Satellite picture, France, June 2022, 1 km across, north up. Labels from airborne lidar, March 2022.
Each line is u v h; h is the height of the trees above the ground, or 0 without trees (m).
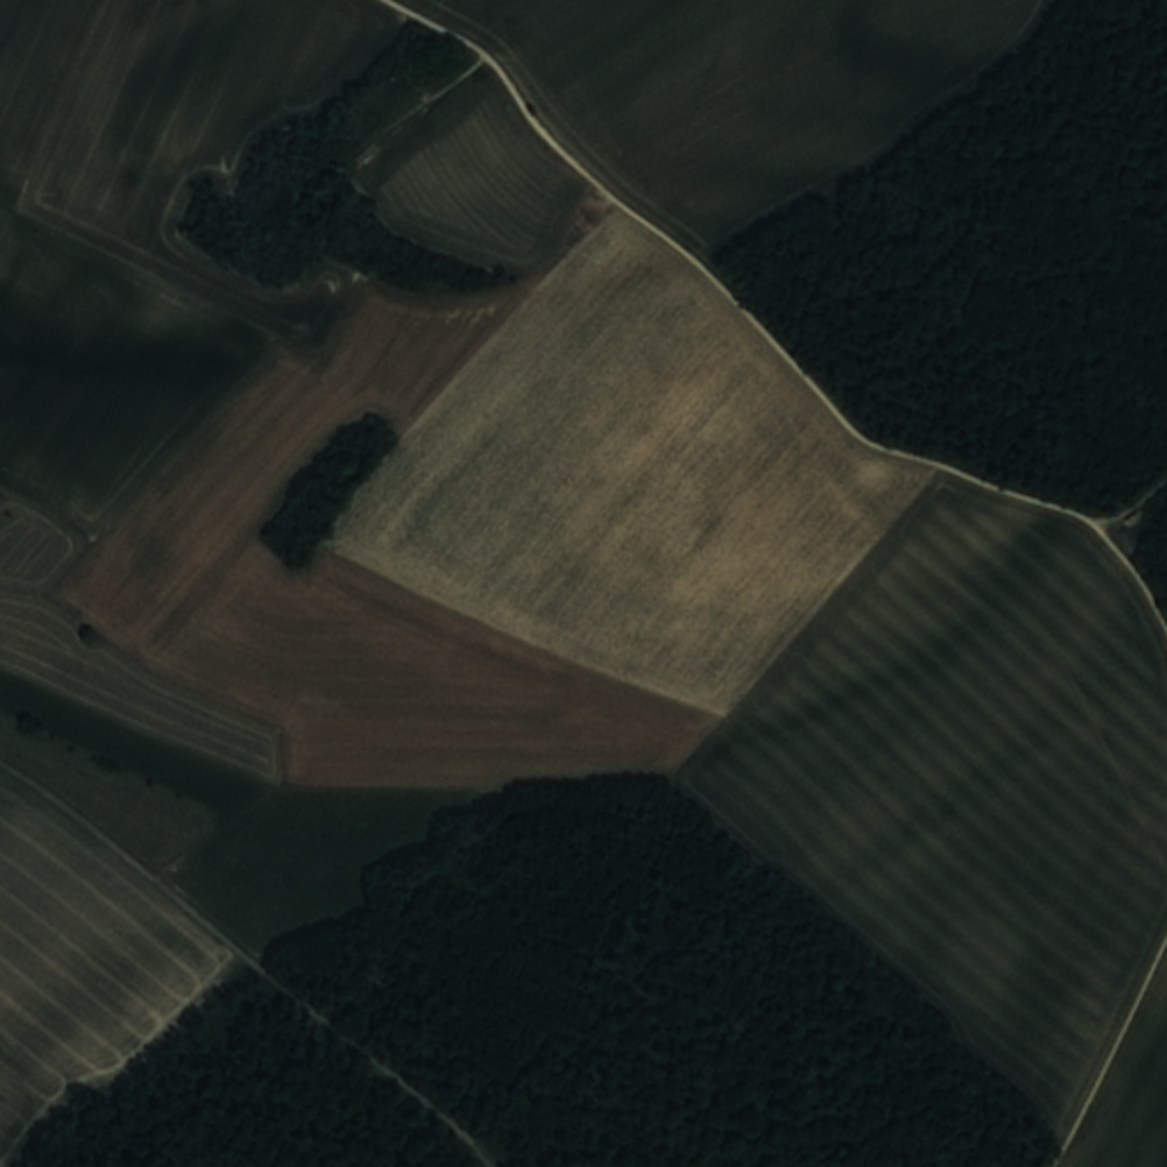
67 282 0
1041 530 0
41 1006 0
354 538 0
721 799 0
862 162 0
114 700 0
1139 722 0
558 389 0
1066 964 0
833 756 0
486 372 0
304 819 0
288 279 11
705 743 0
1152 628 0
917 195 18
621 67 0
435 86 0
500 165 0
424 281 7
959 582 0
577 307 0
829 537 0
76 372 0
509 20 0
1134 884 0
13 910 0
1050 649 0
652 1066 18
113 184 0
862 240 17
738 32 0
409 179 0
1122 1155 0
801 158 0
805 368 12
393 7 0
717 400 0
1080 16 18
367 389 0
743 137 0
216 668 0
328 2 0
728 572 0
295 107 0
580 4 0
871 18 0
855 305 16
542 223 0
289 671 0
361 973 24
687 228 0
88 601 0
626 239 0
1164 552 16
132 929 0
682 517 0
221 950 0
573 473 0
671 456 0
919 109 0
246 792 0
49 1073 0
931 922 0
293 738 0
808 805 0
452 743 0
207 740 0
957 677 0
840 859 0
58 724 0
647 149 0
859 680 0
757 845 0
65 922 0
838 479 0
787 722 0
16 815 0
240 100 0
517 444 0
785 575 0
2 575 0
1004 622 0
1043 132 21
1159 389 21
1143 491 10
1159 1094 0
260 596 0
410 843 0
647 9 0
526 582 0
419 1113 16
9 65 0
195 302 0
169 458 0
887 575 0
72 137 0
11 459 0
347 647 0
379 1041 18
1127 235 19
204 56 0
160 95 0
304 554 14
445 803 0
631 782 16
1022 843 0
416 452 0
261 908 0
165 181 0
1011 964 0
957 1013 0
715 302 0
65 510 0
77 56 0
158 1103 23
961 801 0
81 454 0
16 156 0
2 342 0
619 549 0
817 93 0
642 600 0
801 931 15
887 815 0
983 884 0
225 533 0
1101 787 0
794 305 17
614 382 0
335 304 0
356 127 0
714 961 19
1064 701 0
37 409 0
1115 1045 0
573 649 0
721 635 0
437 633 0
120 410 0
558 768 0
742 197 0
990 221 25
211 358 0
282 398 0
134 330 0
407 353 0
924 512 0
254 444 0
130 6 0
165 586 0
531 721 0
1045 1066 0
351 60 0
